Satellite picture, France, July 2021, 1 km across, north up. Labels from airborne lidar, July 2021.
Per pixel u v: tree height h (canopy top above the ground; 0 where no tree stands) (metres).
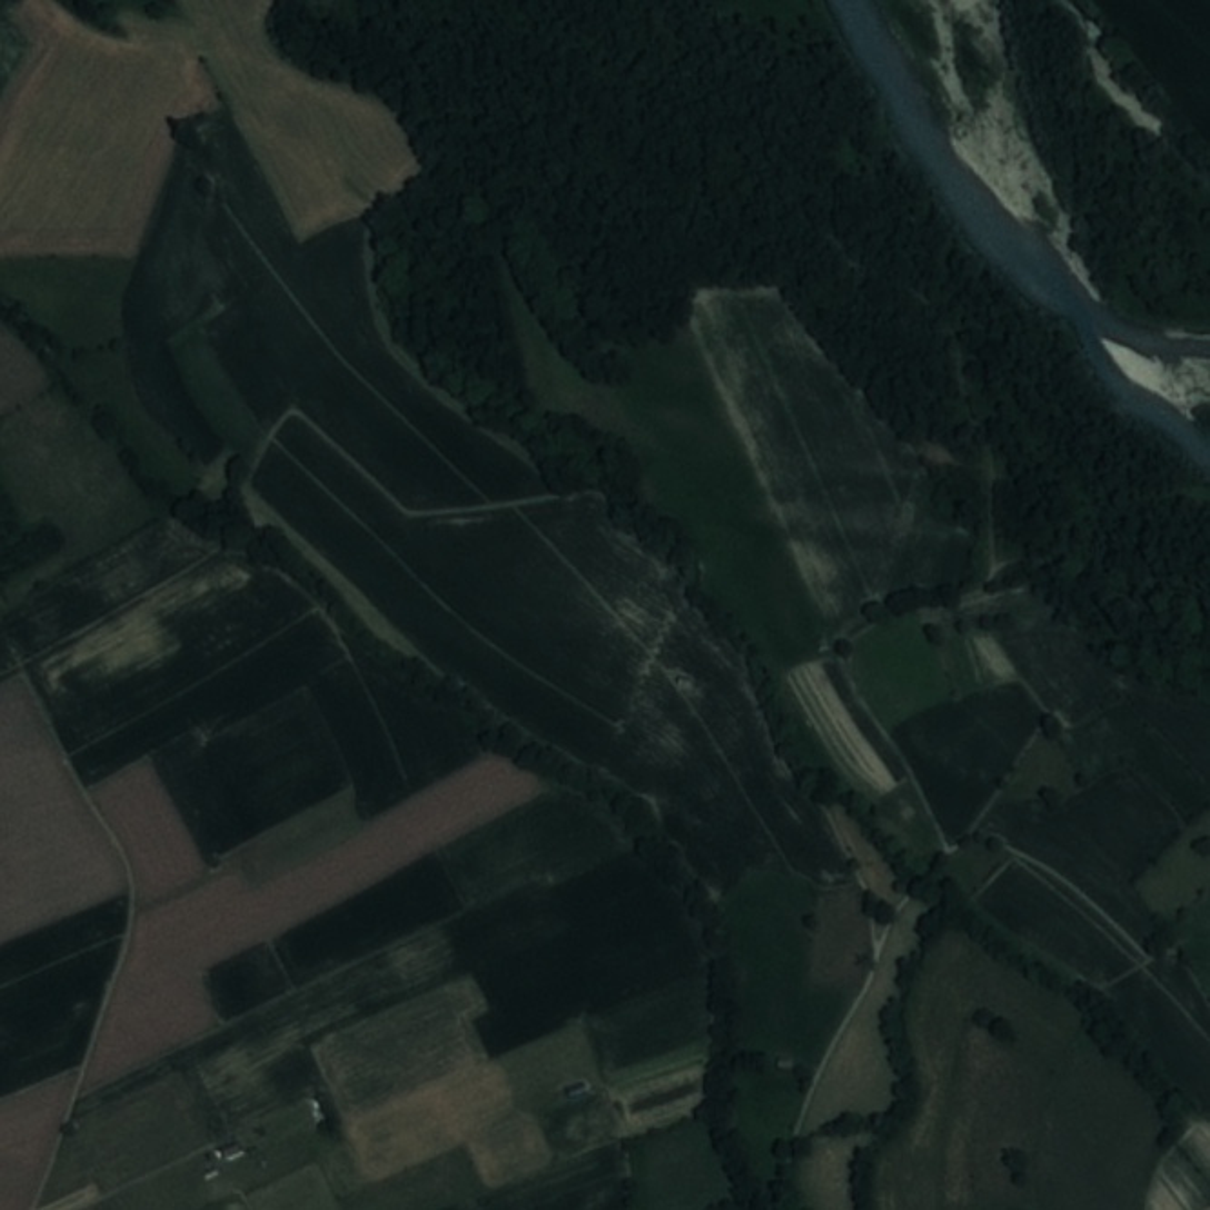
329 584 10
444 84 25
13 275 0
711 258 24
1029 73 24
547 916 0
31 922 0
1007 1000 0
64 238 0
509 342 18
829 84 13
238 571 0
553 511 0
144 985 0
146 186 0
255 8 0
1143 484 21
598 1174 0
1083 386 18
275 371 0
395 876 0
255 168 0
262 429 0
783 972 0
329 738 0
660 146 18
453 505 0
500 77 25
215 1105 0
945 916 19
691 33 17
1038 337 8
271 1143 0
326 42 15
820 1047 0
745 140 15
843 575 0
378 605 0
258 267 0
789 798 0
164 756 0
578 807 0
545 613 0
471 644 0
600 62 19
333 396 0
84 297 0
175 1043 0
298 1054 0
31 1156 0
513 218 28
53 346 11
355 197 0
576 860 0
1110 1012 18
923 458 9
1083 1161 0
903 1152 0
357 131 0
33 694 0
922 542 0
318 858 0
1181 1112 26
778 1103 0
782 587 0
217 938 0
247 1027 0
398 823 0
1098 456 28
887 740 0
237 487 10
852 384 16
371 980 0
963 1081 0
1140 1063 19
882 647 0
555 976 0
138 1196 0
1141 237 20
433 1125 0
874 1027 0
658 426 0
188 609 0
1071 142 12
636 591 0
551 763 23
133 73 0
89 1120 0
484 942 0
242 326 0
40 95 0
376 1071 0
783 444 0
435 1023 0
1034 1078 0
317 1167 0
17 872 0
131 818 0
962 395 11
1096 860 0
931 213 6
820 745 0
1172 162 11
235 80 0
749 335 0
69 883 0
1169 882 0
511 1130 0
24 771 0
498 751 19
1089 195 17
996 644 0
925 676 0
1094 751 0
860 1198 17
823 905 0
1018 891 0
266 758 0
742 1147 17
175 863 0
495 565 0
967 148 0
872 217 21
